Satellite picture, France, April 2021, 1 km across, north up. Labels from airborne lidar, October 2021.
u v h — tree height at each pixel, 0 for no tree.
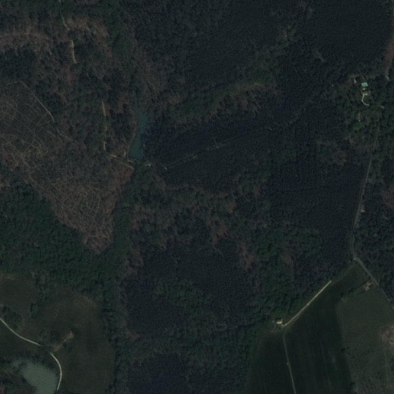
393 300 22
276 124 12
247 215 14
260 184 18
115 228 19
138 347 21
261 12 14
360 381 0
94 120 17
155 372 12
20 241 22
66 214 8
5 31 12
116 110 20
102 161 19
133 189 22
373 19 18
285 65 19
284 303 12
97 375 0
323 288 6
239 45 17
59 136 8
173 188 15
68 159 8
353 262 14
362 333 0
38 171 8
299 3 13
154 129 15
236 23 17
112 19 19
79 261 19
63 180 10
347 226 14
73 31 13
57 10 19
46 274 20
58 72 13
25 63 24
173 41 21
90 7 11
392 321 0
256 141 17
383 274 6
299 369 0
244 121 19
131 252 16
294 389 0
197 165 18
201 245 19
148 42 22
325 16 17
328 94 11
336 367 0
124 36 17
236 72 16
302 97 18
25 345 0
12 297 0
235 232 14
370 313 0
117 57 21
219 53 15
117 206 14
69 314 0
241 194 13
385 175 15
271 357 0
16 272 18
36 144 0
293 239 22
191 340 17
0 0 19
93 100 15
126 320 16
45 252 20
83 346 0
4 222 18
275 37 18
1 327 0
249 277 13
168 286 16
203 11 24
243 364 12
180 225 26
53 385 0
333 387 0
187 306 13
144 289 18
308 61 18
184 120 18
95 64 13
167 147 12
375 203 15
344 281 0
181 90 7
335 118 15
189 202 18
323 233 17
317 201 13
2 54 24
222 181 12
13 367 17
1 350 0
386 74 10
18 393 0
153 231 19
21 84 10
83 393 0
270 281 22
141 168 18
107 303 17
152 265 17
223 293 17
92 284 22
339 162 10
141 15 27
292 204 14
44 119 0
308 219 15
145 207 15
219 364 14
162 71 9
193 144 13
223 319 18
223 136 16
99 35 18
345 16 15
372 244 8
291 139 19
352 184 13
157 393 12
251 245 21
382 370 0
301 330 0
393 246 16
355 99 15
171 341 13
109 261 25
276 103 14
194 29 9
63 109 20
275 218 17
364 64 14
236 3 13
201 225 18
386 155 18
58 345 0
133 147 0
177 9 21
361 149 6
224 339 16
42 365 12
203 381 15
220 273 13
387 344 0
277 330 0
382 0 16
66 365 0
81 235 12
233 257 17
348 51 14
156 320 14
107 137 9
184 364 16
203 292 21
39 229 24
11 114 0
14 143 0
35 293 0
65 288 12
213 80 15
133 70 20
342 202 13
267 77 20
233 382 15
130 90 11
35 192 17
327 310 0
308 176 19
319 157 19
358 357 0
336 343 0
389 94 12
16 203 25
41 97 15
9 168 10
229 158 12
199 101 24
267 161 14
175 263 14
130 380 17
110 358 0
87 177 10
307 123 17
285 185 18
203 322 18
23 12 18
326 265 13
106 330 17
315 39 17
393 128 21
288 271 18
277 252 19
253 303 15
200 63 15
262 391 0
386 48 16
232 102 23
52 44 7
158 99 9
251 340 14
